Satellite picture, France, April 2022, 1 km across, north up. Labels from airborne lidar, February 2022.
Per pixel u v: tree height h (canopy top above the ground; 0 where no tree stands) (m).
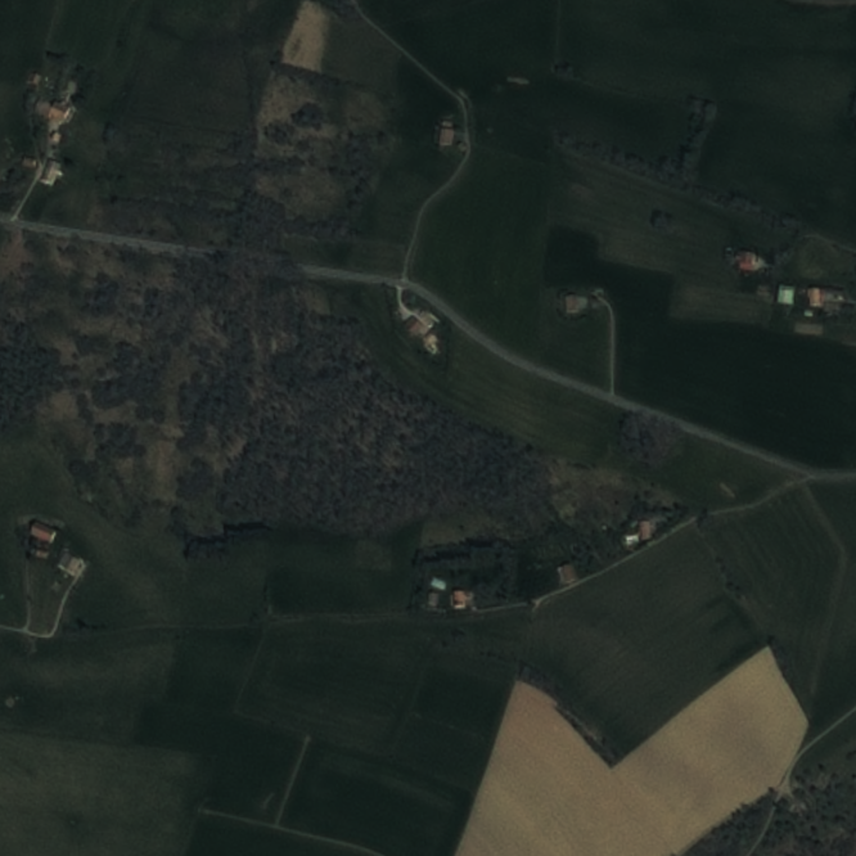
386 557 0
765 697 0
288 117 0
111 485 0
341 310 0
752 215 11
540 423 0
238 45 0
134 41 0
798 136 0
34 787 0
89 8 0
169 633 0
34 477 0
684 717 0
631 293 0
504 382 0
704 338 0
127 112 0
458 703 0
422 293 0
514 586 20
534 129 0
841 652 0
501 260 0
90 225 0
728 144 0
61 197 0
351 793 0
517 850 0
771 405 0
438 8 0
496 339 0
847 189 0
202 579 0
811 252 0
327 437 20
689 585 0
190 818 0
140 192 0
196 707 0
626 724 0
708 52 0
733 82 0
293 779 0
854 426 0
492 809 0
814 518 0
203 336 0
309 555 0
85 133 0
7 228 0
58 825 0
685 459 0
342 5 23
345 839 0
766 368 0
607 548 0
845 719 0
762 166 0
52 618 0
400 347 0
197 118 0
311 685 0
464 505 8
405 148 0
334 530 16
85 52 0
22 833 0
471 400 0
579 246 0
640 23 0
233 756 0
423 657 0
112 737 0
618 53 0
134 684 0
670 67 0
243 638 0
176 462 0
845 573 0
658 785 0
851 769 0
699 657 0
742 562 0
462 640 13
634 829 0
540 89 0
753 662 0
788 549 0
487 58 0
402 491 20
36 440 0
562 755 0
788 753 0
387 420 18
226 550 14
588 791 0
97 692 0
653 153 0
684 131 0
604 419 0
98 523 0
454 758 0
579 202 0
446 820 0
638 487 0
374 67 0
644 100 0
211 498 0
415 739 0
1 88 0
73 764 0
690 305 0
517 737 0
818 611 0
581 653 0
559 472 0
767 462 0
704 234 0
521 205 0
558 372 0
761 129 0
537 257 0
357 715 0
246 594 0
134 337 0
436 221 0
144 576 0
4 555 0
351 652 0
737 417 0
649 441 19
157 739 0
